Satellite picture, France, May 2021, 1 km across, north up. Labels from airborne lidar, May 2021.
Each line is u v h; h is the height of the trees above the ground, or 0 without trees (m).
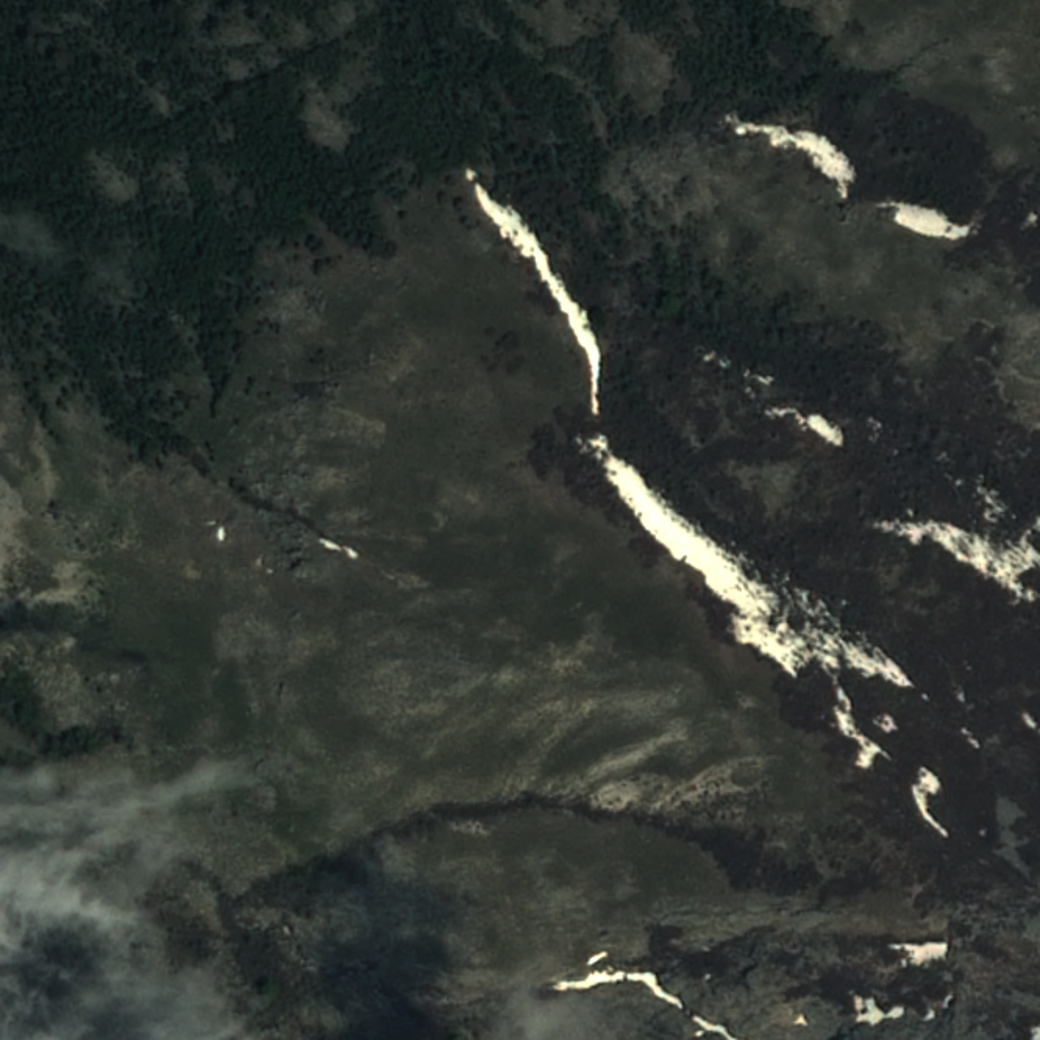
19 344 11
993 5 0
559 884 0
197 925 7
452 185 8
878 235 0
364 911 0
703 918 0
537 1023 0
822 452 0
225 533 0
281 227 9
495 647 0
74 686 0
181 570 0
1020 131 0
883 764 0
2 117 9
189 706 0
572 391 0
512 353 0
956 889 0
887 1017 0
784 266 0
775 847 0
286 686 0
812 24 8
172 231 13
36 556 0
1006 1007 0
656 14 8
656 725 0
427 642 0
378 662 0
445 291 0
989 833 0
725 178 0
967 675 0
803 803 0
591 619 0
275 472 0
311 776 0
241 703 0
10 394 0
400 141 8
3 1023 0
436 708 0
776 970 0
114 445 0
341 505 0
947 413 9
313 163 14
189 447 14
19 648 0
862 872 0
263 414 0
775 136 0
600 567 0
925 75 0
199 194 11
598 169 12
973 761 0
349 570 0
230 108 12
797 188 0
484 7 7
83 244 18
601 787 0
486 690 0
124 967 0
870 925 0
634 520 0
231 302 9
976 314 0
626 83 0
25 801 7
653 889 0
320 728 0
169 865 6
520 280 0
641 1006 0
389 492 0
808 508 0
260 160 16
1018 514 7
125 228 9
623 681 0
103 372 17
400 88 13
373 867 0
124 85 11
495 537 0
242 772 0
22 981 0
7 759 8
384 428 0
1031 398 0
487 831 0
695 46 8
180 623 0
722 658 0
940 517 0
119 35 10
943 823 0
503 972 0
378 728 0
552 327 0
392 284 0
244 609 0
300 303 0
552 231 11
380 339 0
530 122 15
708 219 0
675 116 8
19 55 18
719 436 0
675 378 8
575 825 0
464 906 0
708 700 0
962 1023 0
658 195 0
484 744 0
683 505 6
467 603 0
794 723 0
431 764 0
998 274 0
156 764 0
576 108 11
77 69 12
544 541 0
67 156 14
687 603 0
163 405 12
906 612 0
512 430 0
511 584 0
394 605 0
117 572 0
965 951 0
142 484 0
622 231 11
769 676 0
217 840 0
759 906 0
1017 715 0
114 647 0
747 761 0
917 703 0
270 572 0
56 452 0
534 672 0
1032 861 0
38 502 0
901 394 6
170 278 11
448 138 10
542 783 0
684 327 15
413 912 0
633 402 8
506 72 21
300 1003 7
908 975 0
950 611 0
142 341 12
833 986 0
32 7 14
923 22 0
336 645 0
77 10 10
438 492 0
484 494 0
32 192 18
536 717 0
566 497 0
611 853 0
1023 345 0
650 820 0
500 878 0
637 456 6
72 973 0
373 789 0
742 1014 0
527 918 0
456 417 0
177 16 23
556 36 0
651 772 0
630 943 0
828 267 0
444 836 0
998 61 0
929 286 0
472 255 0
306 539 0
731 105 8
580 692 0
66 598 0
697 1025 0
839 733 0
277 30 7
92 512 0
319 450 0
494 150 15
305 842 0
